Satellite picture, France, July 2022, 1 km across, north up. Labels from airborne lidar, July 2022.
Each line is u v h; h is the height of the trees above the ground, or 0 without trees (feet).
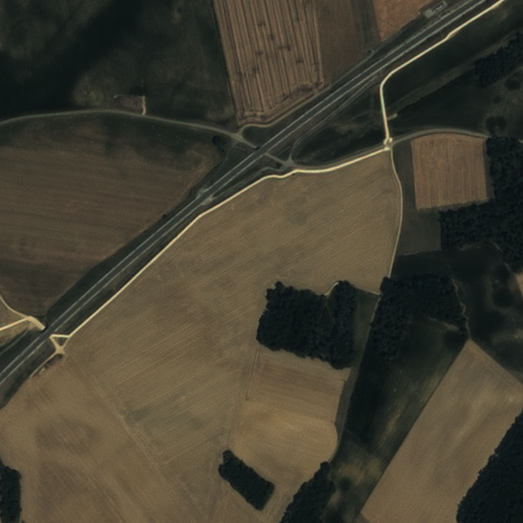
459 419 0
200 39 0
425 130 0
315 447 0
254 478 72
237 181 0
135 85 0
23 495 0
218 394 0
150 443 0
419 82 0
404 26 0
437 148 0
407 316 89
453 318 73
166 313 0
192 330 0
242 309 0
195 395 0
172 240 0
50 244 0
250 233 0
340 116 0
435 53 0
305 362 0
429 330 0
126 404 0
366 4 0
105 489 0
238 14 0
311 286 0
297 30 0
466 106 0
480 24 0
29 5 0
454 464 0
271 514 0
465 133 0
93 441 0
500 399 0
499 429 0
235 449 0
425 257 0
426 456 0
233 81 0
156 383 0
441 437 0
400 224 0
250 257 0
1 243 0
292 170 0
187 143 0
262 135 0
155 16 0
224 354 0
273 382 0
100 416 0
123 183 0
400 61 0
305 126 0
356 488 0
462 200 0
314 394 0
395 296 81
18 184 0
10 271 0
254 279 0
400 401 0
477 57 0
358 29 0
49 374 0
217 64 0
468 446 0
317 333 64
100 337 0
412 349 0
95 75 0
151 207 0
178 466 0
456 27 0
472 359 0
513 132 0
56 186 0
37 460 0
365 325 0
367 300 0
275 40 0
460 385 0
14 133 0
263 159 0
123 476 0
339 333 81
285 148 0
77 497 0
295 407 0
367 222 0
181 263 0
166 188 0
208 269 0
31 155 0
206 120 0
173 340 0
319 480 65
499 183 65
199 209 0
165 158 0
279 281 0
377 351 56
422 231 0
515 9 0
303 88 0
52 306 0
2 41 0
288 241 0
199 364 0
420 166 0
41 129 0
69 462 0
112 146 0
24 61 0
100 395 0
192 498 0
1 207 0
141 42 0
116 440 0
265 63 0
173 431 0
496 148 55
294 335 30
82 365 0
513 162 96
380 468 0
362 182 0
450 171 0
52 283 0
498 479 93
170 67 0
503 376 0
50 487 0
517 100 0
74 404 0
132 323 0
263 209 0
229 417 0
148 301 0
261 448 0
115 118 0
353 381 0
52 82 0
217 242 0
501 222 85
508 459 88
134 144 0
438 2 0
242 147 0
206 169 0
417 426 0
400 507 0
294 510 61
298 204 0
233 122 0
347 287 72
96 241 0
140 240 0
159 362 0
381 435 0
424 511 0
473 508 85
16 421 0
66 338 0
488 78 60
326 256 0
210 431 0
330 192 0
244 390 0
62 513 0
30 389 0
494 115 0
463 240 64
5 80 0
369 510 0
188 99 0
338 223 0
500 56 44
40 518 0
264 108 0
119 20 0
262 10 0
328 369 0
